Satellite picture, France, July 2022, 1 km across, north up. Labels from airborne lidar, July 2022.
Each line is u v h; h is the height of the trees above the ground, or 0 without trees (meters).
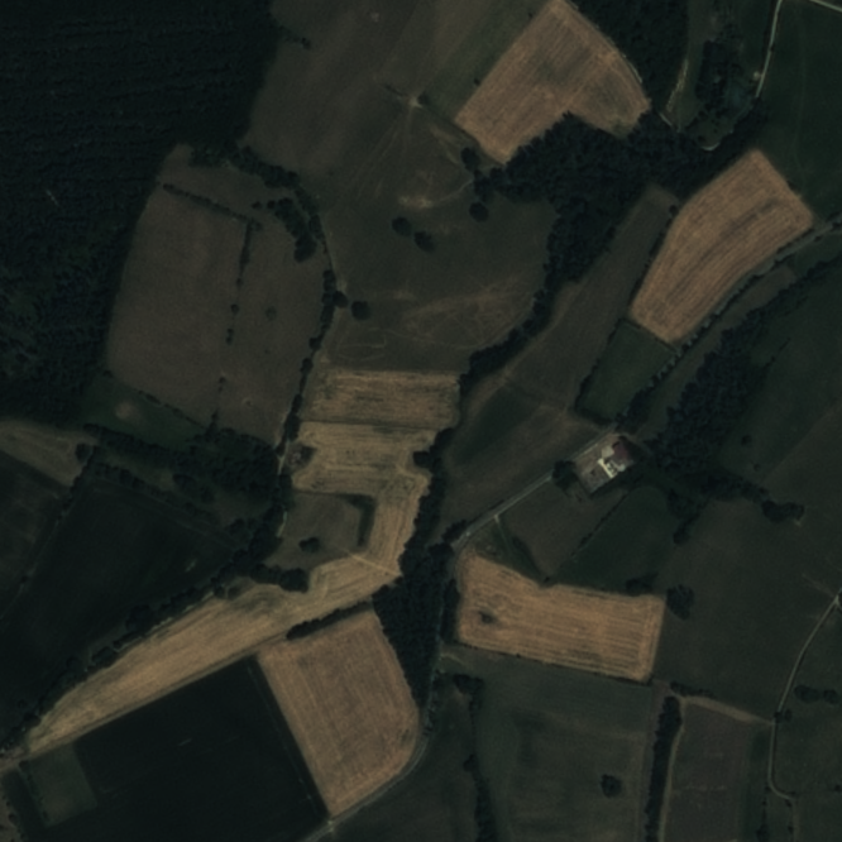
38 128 16
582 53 0
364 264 0
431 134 0
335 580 0
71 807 0
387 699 0
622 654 0
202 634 0
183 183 0
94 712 0
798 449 0
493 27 0
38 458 0
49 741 0
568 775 0
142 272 0
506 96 0
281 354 0
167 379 0
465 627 0
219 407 0
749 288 10
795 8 0
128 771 0
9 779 0
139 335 0
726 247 0
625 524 0
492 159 0
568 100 0
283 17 0
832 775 0
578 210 24
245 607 0
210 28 20
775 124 0
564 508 0
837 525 0
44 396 17
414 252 0
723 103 14
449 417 0
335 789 0
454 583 8
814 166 0
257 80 19
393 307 0
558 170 7
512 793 0
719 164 7
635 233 0
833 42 0
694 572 0
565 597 0
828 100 0
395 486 0
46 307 21
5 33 16
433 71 0
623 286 0
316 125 0
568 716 0
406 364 0
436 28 0
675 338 0
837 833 0
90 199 21
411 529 0
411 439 0
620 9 22
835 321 0
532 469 0
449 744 0
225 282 0
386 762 0
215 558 0
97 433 14
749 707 0
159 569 0
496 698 0
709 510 0
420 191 0
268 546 20
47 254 8
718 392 24
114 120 16
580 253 25
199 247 0
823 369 0
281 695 0
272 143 0
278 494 9
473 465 0
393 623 17
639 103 0
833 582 0
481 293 0
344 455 0
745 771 0
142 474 0
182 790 0
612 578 0
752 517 0
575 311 0
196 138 17
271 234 0
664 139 27
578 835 0
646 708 0
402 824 0
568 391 0
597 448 0
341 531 0
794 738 0
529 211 0
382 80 0
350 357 0
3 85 19
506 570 0
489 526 0
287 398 0
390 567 0
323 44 0
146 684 0
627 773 0
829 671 0
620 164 13
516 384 0
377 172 0
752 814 0
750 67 0
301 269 0
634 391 0
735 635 0
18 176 15
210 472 14
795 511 13
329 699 0
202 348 0
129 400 0
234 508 0
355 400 0
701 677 0
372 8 0
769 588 0
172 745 0
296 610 0
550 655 0
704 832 0
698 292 0
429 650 22
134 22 16
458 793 0
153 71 21
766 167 0
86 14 19
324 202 0
